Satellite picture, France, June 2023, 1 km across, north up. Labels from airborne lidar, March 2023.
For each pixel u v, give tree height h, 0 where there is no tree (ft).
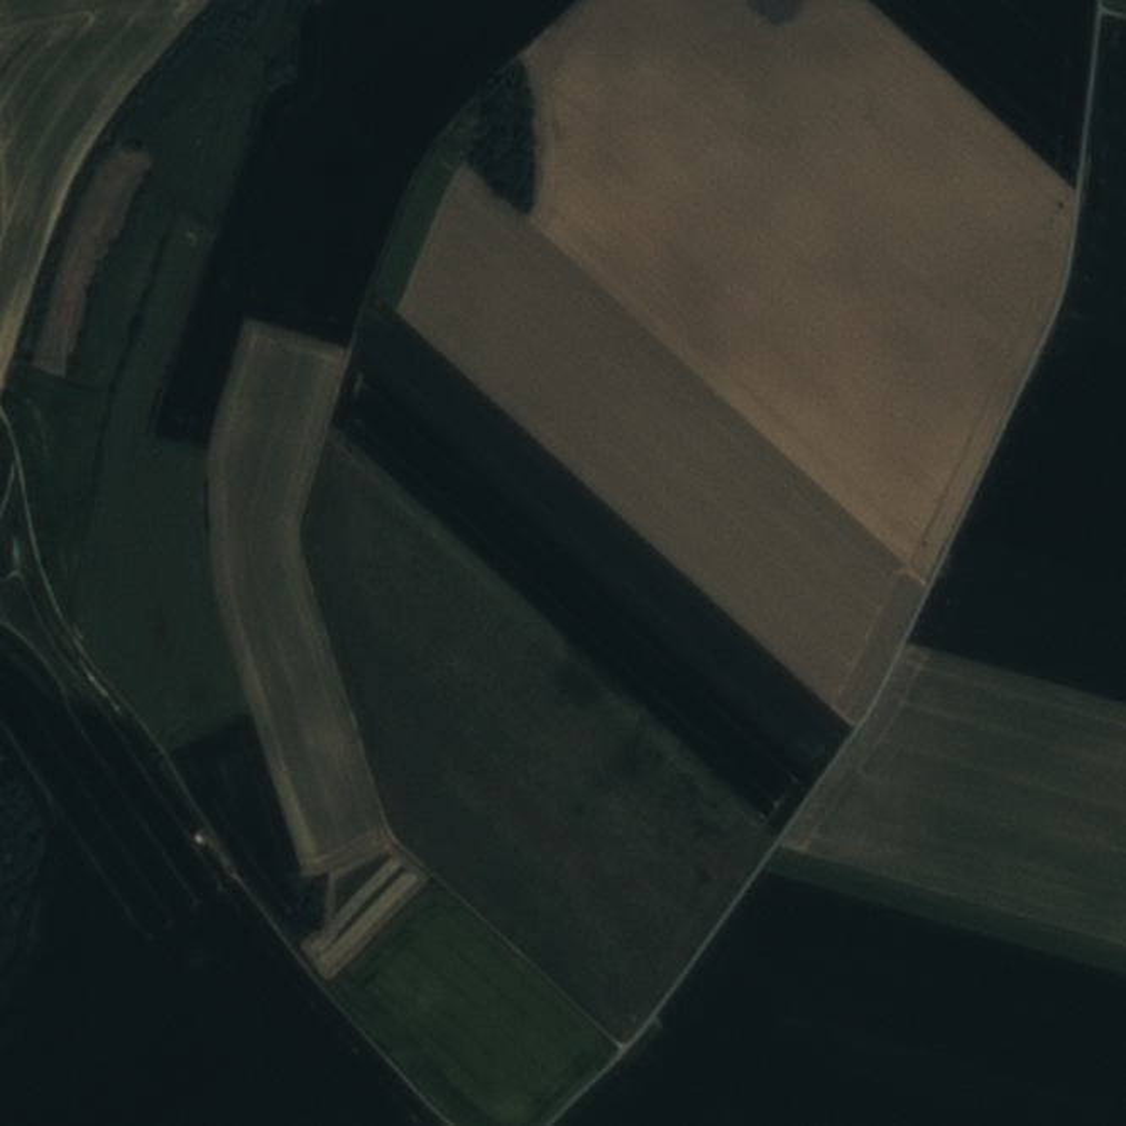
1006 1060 0
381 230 0
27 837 60
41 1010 0
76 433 0
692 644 0
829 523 0
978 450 0
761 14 0
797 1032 0
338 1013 0
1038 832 0
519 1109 0
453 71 0
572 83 0
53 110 0
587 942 0
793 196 0
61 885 0
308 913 43
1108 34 0
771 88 0
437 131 0
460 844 0
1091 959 0
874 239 0
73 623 0
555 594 0
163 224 0
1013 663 0
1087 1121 0
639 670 0
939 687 0
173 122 0
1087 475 0
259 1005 0
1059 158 0
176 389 0
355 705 0
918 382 0
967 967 0
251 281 0
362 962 0
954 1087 0
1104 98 0
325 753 0
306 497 0
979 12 0
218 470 0
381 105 0
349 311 0
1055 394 0
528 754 0
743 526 0
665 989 0
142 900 0
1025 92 0
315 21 0
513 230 0
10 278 0
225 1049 0
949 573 0
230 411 0
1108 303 0
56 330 0
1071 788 0
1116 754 0
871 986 0
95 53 0
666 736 0
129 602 0
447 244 0
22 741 0
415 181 0
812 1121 0
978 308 0
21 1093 0
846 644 0
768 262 0
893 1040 0
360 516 0
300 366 0
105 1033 0
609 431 0
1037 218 0
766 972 0
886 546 0
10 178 0
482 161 43
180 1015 0
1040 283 0
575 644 0
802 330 0
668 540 0
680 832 0
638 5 0
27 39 0
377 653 0
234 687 0
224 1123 0
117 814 0
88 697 0
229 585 0
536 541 0
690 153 0
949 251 0
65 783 0
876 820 0
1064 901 0
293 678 0
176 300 0
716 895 0
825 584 0
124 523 0
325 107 0
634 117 0
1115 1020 0
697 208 0
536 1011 0
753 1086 0
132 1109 0
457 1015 0
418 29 0
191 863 0
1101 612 0
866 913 0
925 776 0
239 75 0
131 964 0
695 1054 0
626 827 0
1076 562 0
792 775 0
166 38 0
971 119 0
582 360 0
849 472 0
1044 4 0
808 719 0
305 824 0
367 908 0
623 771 0
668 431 0
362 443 0
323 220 0
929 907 0
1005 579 0
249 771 0
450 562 0
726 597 0
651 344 0
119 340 0
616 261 0
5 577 0
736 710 0
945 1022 0
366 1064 0
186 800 0
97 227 0
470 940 0
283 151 0
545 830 0
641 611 0
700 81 0
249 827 0
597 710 0
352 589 0
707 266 0
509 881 0
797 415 0
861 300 0
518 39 0
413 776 0
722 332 0
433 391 0
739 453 0
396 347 0
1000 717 0
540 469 0
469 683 0
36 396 0
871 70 0
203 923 0
